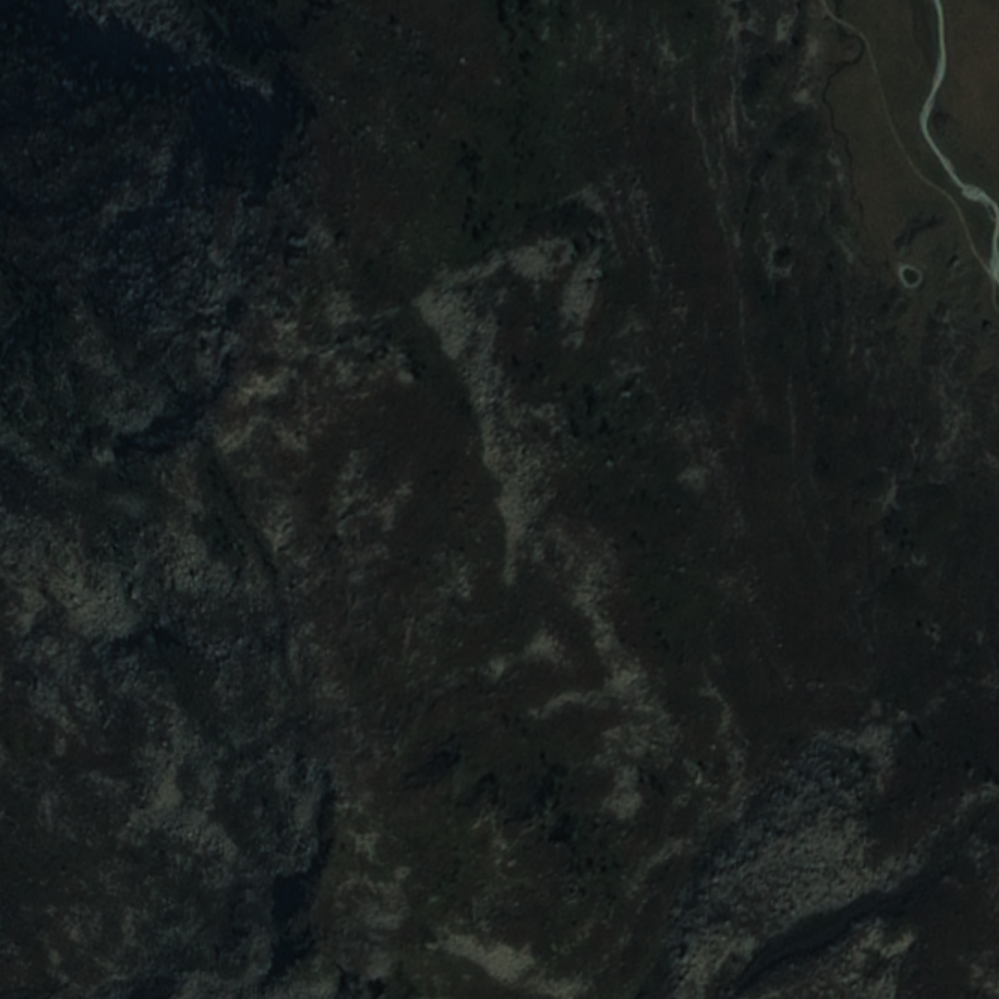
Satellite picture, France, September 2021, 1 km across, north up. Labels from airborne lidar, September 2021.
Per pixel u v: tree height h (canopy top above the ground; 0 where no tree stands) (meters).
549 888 0
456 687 0
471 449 0
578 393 0
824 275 0
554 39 0
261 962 0
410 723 0
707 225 0
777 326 0
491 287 0
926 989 0
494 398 0
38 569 0
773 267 0
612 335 0
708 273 0
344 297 0
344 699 0
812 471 0
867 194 0
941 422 0
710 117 0
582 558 0
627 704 0
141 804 0
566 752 0
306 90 0
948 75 0
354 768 0
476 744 0
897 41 0
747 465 0
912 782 0
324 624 0
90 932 0
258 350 0
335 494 0
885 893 0
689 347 0
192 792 0
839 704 0
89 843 0
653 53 0
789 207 0
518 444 0
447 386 0
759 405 0
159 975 0
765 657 0
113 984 0
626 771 0
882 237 0
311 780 0
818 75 0
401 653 0
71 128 0
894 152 0
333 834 0
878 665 0
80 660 0
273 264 0
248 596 0
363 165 0
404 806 0
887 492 0
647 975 0
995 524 0
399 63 0
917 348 0
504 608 0
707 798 0
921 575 0
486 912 0
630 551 0
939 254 0
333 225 0
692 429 0
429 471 0
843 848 0
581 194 0
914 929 0
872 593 0
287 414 0
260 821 0
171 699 0
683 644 0
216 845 0
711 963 0
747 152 0
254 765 0
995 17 0
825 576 0
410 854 0
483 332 0
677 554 0
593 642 0
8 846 0
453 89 0
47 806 0
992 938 0
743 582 0
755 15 0
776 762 0
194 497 0
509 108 0
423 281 0
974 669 0
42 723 0
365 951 0
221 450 0
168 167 0
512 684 0
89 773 0
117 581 0
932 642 0
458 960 0
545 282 0
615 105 0
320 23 0
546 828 7
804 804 0
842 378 0
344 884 0
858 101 0
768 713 0
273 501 0
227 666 0
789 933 0
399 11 0
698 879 0
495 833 0
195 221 0
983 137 0
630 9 0
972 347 0
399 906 0
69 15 14
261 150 0
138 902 0
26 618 0
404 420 0
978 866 0
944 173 0
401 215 0
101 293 0
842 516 0
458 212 0
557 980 0
